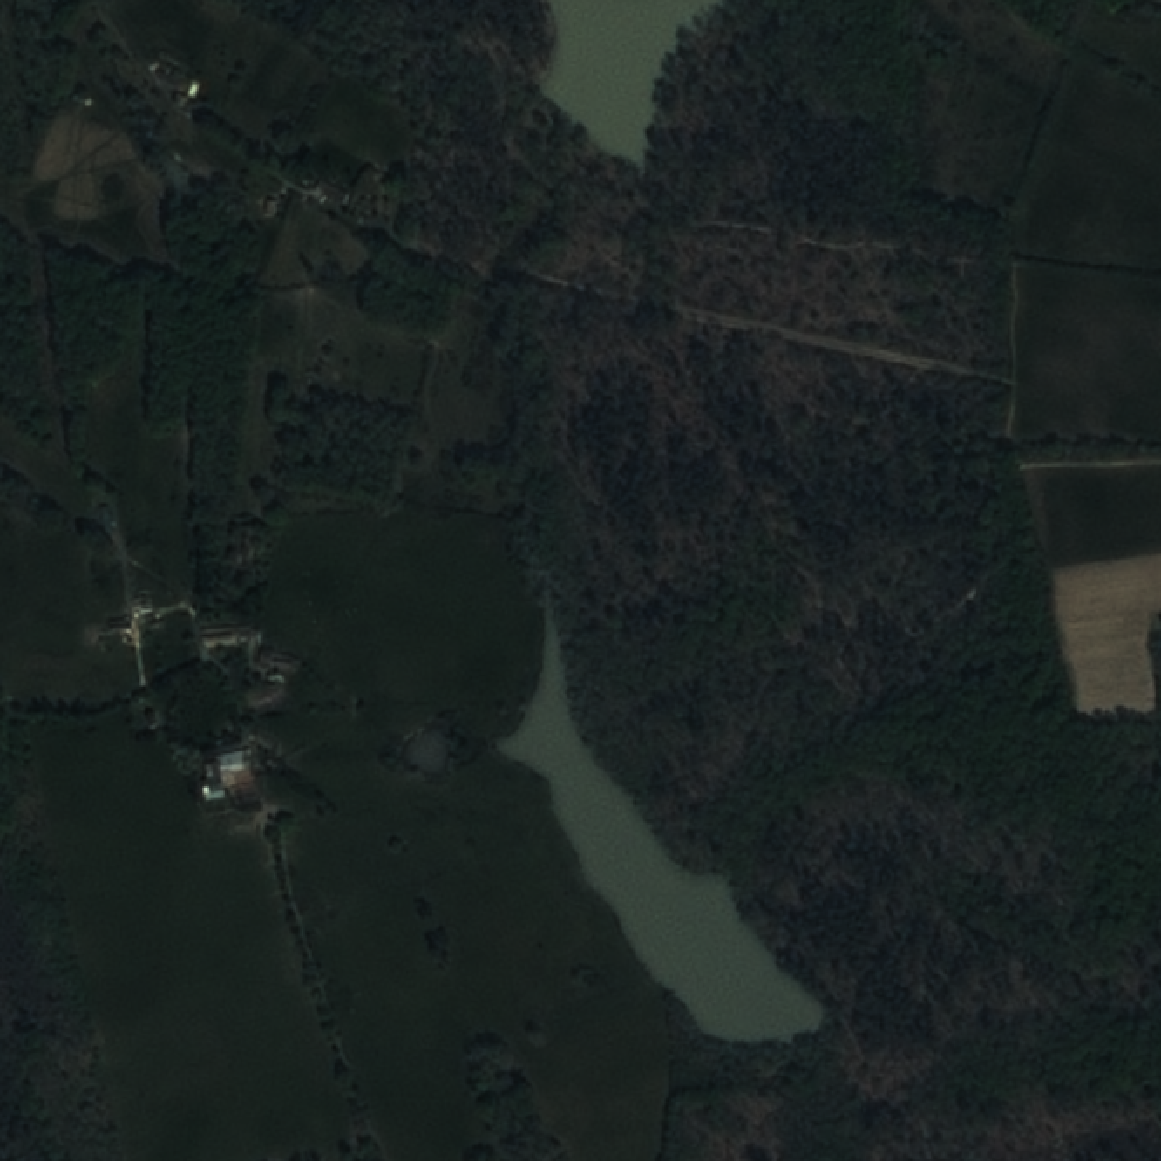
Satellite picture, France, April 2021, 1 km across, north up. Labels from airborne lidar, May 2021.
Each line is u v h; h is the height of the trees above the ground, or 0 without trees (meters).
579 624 13
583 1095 0
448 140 8
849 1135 19
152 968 0
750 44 13
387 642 0
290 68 0
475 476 22
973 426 14
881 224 14
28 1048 17
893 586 14
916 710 22
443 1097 0
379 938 0
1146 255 0
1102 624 0
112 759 0
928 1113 15
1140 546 0
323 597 0
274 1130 0
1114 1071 22
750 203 10
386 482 23
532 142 17
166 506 0
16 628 0
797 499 15
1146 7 14
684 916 0
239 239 22
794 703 10
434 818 0
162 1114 0
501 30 23
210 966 0
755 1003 0
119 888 0
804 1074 22
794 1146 15
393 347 0
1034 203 0
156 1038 0
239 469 16
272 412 17
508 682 0
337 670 0
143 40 0
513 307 19
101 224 0
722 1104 12
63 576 0
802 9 19
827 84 20
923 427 10
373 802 0
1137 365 0
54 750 0
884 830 14
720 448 9
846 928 20
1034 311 0
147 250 0
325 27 16
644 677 15
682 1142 15
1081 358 0
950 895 17
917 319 11
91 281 23
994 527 17
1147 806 19
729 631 16
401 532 0
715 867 8
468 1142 0
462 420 0
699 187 15
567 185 22
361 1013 0
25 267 20
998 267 12
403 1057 0
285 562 0
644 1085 0
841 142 22
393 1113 0
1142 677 0
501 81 16
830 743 22
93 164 0
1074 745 19
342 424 22
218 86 0
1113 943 19
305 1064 0
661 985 0
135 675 0
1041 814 20
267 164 20
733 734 18
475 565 0
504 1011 0
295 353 0
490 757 0
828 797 18
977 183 0
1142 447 6
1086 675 0
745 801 17
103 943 0
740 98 13
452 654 0
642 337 19
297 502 0
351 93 0
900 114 15
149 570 0
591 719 13
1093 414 0
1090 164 0
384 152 0
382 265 21
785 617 15
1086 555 0
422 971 0
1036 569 16
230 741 6
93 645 0
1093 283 0
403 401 0
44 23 11
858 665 20
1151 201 0
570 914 0
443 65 21
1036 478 0
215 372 23
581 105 0
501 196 20
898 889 23
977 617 18
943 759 25
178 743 14
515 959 0
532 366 22
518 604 0
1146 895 14
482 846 0
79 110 0
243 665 9
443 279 23
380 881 0
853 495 18
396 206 0
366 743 0
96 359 18
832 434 12
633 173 17
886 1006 18
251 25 0
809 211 14
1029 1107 17
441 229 20
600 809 0
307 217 0
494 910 0
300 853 0
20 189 0
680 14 0
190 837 0
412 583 0
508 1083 17
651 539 21
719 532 9
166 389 22
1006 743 22
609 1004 0
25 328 24
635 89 0
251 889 0
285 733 0
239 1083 0
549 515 19
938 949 17
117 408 0
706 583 6
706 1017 0
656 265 20
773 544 12
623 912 0
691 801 14
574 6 0
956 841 19
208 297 25
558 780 0
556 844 0
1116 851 22
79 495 0
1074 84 0
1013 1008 12
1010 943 14
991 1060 21
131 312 19
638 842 0
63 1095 9
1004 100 0
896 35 24
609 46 0
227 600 7
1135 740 13
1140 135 0
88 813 0
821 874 9
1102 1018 19
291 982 0
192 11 0
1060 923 16
